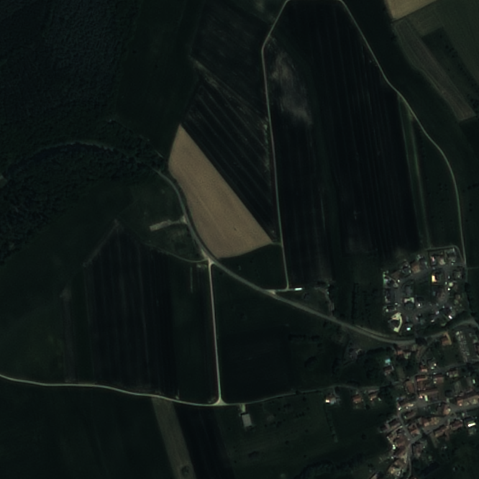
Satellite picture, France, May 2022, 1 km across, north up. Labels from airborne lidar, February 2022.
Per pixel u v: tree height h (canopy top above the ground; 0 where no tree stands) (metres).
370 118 0
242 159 0
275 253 0
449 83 0
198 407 0
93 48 10
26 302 0
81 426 0
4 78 11
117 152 18
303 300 0
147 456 0
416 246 0
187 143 0
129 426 0
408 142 0
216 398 0
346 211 0
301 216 0
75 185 26
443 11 0
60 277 0
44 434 0
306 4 0
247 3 0
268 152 0
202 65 0
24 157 20
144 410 0
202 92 0
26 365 0
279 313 0
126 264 0
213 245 0
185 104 0
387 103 0
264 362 0
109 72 11
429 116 0
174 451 0
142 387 0
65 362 0
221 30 0
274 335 0
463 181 0
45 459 0
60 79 10
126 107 0
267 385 0
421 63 0
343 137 0
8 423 0
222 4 0
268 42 0
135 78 0
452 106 0
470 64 0
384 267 0
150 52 0
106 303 0
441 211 0
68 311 0
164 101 0
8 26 13
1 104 7
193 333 0
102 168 29
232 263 0
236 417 0
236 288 0
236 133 0
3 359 0
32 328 0
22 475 0
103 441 0
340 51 0
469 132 0
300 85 0
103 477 0
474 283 0
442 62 0
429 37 0
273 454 0
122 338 0
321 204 0
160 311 0
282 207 0
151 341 0
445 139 0
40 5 12
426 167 0
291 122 0
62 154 26
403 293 0
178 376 0
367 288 0
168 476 0
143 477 0
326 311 0
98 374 0
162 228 0
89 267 0
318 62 0
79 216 0
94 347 0
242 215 0
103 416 0
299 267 0
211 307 0
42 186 32
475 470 0
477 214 0
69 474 0
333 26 0
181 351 0
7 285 0
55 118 14
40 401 0
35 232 15
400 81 0
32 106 11
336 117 0
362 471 0
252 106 0
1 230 31
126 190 0
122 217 0
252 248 0
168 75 0
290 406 10
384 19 0
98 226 0
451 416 0
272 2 0
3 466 0
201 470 0
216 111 0
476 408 0
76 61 11
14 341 0
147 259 0
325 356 0
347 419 0
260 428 0
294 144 0
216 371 0
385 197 0
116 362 0
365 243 0
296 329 0
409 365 13
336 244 0
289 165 0
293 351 0
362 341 0
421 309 0
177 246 0
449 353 0
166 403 0
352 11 0
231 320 0
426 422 0
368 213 0
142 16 0
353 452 0
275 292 0
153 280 0
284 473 0
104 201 0
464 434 0
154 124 0
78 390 0
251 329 0
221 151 0
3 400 0
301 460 0
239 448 0
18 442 0
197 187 0
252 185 0
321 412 0
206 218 0
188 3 0
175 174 0
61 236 0
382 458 0
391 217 0
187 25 0
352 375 0
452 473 0
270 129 0
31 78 10
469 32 0
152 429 0
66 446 0
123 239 0
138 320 0
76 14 8
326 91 0
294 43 0
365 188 0
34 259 0
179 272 0
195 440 0
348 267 0
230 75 0
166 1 0
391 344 0
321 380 0
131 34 13
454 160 0
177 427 0
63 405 0
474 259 0
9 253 23
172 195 0
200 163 0
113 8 9
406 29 0
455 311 0
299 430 0
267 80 0
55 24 9
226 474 0
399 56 0
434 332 0
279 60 0
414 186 0
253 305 0
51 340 0
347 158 0
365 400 0
